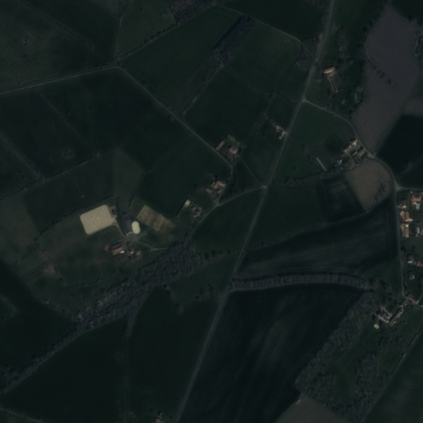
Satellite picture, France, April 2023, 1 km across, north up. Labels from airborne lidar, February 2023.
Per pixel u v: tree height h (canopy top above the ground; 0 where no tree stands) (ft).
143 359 0
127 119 0
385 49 0
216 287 0
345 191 0
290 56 0
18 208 0
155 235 0
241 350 0
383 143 0
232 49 58
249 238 0
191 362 0
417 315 0
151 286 59
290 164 0
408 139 0
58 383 0
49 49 0
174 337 0
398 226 0
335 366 0
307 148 40
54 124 0
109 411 0
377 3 0
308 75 38
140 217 0
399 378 0
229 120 0
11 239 0
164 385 0
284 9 0
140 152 0
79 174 0
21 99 0
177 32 0
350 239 0
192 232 0
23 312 0
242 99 0
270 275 0
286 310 0
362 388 45
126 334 45
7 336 0
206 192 0
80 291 0
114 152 0
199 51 0
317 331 0
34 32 0
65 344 43
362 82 0
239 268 0
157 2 0
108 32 0
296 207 0
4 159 0
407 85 0
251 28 47
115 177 0
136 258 37
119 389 0
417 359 0
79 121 0
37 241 29
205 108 0
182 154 0
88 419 0
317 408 0
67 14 0
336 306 0
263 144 0
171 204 0
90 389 0
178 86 0
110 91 0
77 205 0
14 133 0
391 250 0
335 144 0
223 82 0
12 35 0
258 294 0
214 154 0
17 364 0
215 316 0
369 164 0
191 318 0
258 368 0
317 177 44
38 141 0
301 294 0
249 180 0
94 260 0
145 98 0
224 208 0
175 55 0
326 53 0
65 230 0
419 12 0
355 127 0
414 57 0
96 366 0
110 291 24
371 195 0
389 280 0
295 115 0
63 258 0
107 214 0
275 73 0
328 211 0
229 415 0
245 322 0
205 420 0
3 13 0
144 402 0
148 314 0
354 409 63
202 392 0
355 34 0
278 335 0
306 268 0
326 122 0
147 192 0
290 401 0
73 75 0
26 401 0
